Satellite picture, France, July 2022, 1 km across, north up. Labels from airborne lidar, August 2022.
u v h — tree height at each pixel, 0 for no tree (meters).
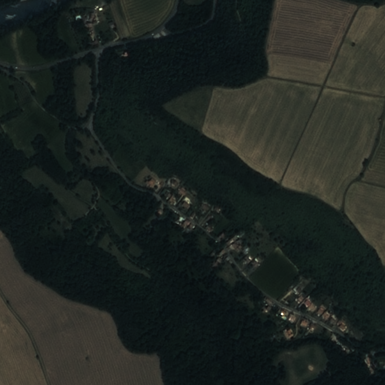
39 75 0
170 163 10
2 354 0
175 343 16
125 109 6
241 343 23
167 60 16
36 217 18
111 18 0
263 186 11
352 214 0
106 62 16
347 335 11
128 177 10
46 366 0
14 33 0
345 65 0
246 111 0
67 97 12
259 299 15
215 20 14
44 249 18
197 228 6
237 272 7
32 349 0
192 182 9
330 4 0
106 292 24
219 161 8
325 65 0
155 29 0
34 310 0
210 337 22
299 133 0
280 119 0
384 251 0
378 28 0
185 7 7
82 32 18
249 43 22
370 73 0
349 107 0
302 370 0
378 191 0
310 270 12
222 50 21
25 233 19
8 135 8
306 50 0
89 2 0
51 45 32
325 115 0
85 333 0
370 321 11
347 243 6
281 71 0
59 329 0
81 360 0
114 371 0
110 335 0
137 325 17
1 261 0
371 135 0
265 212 6
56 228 0
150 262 14
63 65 17
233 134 0
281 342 6
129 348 6
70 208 0
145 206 26
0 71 14
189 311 24
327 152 0
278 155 0
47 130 0
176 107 0
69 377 0
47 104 18
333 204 0
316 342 17
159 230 24
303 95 0
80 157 18
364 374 27
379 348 11
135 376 0
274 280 0
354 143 0
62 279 23
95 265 22
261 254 7
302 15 0
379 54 0
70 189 9
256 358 22
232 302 25
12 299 0
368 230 0
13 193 19
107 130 8
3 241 0
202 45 22
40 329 0
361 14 0
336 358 28
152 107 7
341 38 0
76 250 15
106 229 10
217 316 27
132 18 0
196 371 23
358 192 0
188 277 22
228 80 17
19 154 18
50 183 0
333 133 0
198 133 8
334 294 14
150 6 0
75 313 0
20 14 0
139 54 17
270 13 11
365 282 6
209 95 0
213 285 20
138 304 19
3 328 0
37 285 0
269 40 0
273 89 0
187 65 29
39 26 22
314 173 0
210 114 0
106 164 0
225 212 12
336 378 20
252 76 14
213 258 16
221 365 31
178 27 15
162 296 18
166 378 15
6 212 19
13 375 0
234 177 6
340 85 0
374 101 0
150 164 6
